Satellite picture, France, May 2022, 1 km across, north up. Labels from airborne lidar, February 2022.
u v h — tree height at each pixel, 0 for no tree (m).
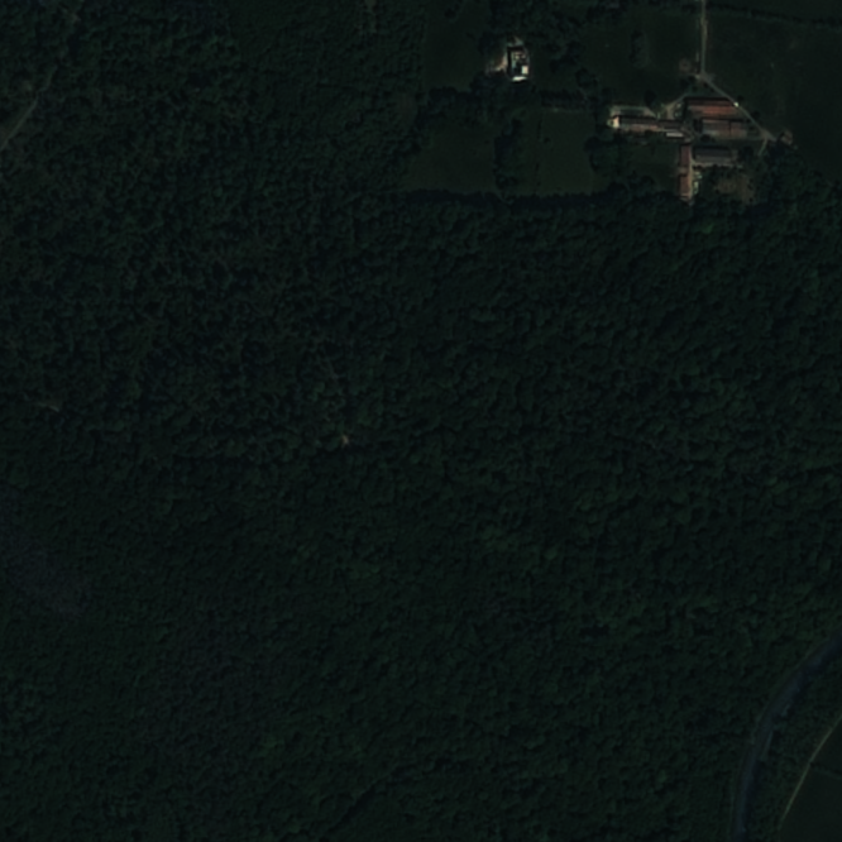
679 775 15
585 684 26
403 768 25
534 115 0
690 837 17
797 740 26
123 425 29
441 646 27
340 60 11
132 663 22
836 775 10
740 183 0
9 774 30
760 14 13
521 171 18
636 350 34
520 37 8
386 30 9
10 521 22
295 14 13
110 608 20
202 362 36
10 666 26
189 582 21
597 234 32
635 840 28
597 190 0
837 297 32
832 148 0
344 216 30
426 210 29
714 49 0
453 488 28
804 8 0
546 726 30
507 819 33
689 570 27
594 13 16
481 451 26
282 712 28
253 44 14
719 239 31
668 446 30
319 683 26
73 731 26
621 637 28
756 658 25
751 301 29
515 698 30
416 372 28
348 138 9
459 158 0
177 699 27
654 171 0
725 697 24
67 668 23
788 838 0
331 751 29
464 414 28
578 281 14
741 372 30
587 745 31
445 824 23
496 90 24
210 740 30
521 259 27
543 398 34
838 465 26
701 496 26
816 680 23
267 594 24
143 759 23
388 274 31
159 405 38
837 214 28
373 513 23
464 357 30
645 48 9
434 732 29
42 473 25
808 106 0
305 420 29
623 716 27
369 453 28
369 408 30
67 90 16
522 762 30
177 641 24
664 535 29
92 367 33
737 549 26
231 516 29
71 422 27
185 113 33
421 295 18
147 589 23
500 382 32
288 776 26
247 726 29
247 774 28
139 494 27
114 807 7
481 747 26
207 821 31
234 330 36
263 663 28
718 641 26
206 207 30
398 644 27
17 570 23
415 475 28
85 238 25
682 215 21
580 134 0
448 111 21
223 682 26
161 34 28
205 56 33
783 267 29
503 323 30
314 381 31
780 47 0
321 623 27
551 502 29
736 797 0
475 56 0
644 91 0
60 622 20
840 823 0
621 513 29
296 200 29
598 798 26
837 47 0
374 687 30
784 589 26
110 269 28
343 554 29
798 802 0
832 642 0
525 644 26
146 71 31
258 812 29
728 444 32
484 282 27
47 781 29
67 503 23
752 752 0
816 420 31
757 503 28
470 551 24
